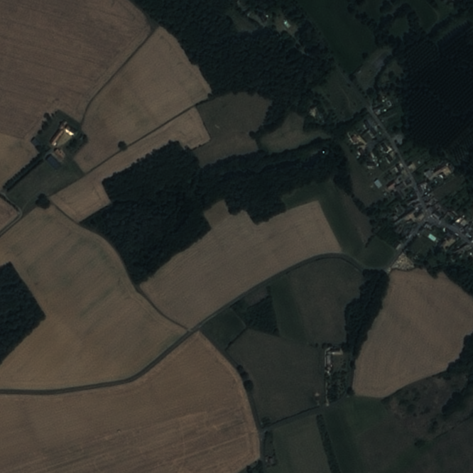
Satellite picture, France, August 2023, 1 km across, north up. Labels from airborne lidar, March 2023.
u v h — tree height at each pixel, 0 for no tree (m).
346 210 0
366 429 0
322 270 0
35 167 7
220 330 0
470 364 16
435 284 0
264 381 0
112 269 0
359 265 0
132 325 0
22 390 0
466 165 15
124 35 0
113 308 0
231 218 0
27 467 0
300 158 9
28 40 0
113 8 0
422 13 0
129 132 0
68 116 0
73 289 0
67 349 0
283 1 24
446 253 17
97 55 0
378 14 0
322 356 0
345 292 0
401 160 0
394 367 0
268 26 0
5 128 0
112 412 0
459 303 0
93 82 0
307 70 21
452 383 0
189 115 0
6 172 0
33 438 0
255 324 7
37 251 0
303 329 0
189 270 0
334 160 21
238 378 0
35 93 0
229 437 0
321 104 12
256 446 0
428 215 0
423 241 0
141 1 18
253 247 0
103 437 0
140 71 0
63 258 0
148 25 0
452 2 13
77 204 0
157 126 0
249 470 12
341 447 0
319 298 0
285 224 0
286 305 0
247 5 16
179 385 0
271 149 0
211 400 0
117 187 19
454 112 13
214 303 0
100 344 0
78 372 0
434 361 0
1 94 0
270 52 28
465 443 0
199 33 17
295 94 23
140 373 0
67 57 0
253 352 0
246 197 19
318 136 0
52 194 0
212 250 0
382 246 0
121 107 0
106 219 14
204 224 13
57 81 0
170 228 20
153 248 9
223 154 0
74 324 0
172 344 0
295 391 0
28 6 0
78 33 0
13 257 0
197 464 0
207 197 22
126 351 0
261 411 0
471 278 6
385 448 0
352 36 0
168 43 0
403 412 0
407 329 0
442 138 27
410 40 23
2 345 20
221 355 0
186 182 18
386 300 0
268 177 20
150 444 0
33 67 0
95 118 0
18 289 18
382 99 8
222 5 19
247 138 0
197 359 0
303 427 0
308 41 25
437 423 9
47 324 0
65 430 0
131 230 20
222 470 0
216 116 0
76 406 0
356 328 22
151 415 0
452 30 0
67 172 0
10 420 0
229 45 25
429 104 28
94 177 0
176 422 0
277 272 0
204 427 0
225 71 21
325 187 0
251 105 0
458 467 0
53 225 0
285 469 0
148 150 0
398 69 0
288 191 15
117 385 0
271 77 23
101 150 0
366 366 0
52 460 0
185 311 0
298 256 0
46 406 0
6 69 0
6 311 20
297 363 0
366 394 0
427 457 0
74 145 7
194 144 0
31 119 0
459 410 0
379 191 0
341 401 0
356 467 0
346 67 0
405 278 0
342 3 0
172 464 0
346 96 0
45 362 0
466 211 6
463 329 0
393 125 0
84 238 0
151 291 0
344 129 19
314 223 0
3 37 0
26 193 0
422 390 0
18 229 0
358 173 0
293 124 0
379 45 20
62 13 0
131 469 0
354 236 0
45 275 0
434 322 0
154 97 0
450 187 0
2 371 0
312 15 0
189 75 0
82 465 0
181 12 20
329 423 0
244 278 0
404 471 0
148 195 22
